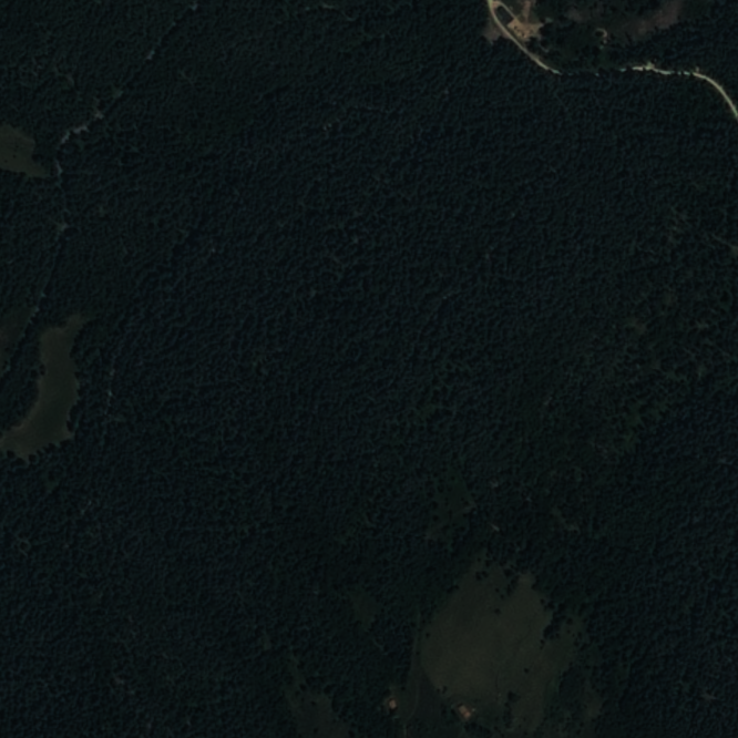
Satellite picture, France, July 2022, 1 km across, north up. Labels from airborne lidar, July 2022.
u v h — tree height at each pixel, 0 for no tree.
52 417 0
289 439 18
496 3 0
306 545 8
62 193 23
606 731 9
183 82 23
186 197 19
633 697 15
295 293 12
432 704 0
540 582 15
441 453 17
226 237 24
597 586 18
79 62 13
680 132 23
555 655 0
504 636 0
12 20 15
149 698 17
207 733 20
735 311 21
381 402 17
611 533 10
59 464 13
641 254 18
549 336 24
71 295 22
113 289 22
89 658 13
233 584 23
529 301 23
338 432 19
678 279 16
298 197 21
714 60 22
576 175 20
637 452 13
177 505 21
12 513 18
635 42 13
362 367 15
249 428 17
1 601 13
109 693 19
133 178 21
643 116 18
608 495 14
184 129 20
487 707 0
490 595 0
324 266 21
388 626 11
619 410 13
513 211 19
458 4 18
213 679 14
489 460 20
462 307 22
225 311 15
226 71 18
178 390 18
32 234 19
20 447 0
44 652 19
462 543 17
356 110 21
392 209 18
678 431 21
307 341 26
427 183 23
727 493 20
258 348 16
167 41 20
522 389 19
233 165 24
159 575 22
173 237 19
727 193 12
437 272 18
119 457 21
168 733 16
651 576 22
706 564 20
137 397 15
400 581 14
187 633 20
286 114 22
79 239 17
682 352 24
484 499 14
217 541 22
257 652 20
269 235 19
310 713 0
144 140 18
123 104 20
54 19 18
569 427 14
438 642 0
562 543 18
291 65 21
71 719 19
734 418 18
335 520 17
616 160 18
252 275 22
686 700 17
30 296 15
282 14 18
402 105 22
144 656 13
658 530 14
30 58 20
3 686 27
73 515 21
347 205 22
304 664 14
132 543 22
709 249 12
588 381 19
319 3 18
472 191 21
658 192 18
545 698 0
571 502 16
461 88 13
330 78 20
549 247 20
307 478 9
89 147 15
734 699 20
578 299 24
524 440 12
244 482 9
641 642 20
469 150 21
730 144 24
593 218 21
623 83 18
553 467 14
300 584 15
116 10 19
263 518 14
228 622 20
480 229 22
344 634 16
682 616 20
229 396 13
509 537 16
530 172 22
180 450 15
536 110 9
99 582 20
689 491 13
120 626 18
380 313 26
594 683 11
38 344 13
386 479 17
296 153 19
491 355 22
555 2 12
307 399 21
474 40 17
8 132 0
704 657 24
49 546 15
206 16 15
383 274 17
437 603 6
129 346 20
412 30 21
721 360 25
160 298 26
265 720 18
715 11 17
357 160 19
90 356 20
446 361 11
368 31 18
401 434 16
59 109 17
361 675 15
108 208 21
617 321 19
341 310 20
